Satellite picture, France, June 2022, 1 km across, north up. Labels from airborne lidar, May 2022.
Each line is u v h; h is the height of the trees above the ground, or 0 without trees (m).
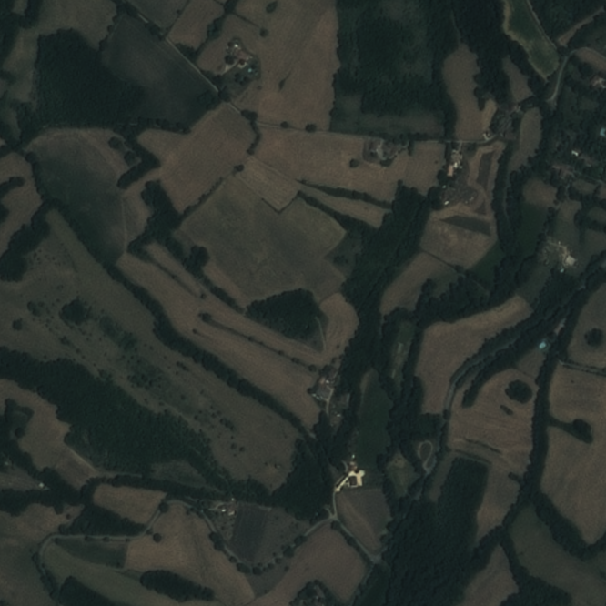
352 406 15
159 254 0
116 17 10
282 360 0
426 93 10
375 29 15
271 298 9
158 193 14
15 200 0
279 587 0
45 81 8
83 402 12
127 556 0
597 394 0
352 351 16
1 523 0
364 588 18
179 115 0
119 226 0
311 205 11
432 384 0
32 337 0
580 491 0
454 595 19
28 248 8
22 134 10
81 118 11
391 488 25
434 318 8
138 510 0
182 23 0
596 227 13
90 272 0
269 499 12
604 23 6
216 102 12
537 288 0
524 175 11
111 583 0
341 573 0
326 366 6
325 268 0
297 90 0
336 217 13
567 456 0
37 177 8
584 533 0
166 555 0
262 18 0
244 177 0
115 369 0
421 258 0
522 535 0
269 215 0
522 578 19
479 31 17
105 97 13
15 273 15
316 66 0
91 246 13
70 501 13
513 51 22
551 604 18
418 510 20
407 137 13
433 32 12
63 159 0
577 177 8
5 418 13
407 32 10
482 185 0
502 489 0
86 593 21
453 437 0
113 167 0
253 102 0
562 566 0
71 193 0
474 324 0
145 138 0
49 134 0
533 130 0
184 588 18
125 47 0
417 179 0
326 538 0
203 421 0
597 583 0
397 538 16
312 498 15
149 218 7
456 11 14
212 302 0
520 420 0
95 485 19
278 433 0
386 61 13
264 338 0
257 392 13
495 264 0
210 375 0
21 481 0
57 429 0
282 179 0
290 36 0
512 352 16
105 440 10
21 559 0
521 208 14
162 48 0
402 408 22
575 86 15
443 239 0
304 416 0
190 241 0
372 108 14
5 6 11
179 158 0
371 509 0
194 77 0
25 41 0
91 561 0
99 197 0
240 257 0
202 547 0
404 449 22
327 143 0
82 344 0
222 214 0
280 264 0
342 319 0
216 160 0
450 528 14
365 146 0
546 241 11
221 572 0
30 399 0
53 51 13
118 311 0
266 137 0
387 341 21
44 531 0
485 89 7
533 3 6
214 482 9
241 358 0
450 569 12
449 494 8
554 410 0
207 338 0
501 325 0
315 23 0
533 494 21
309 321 11
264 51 0
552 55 0
